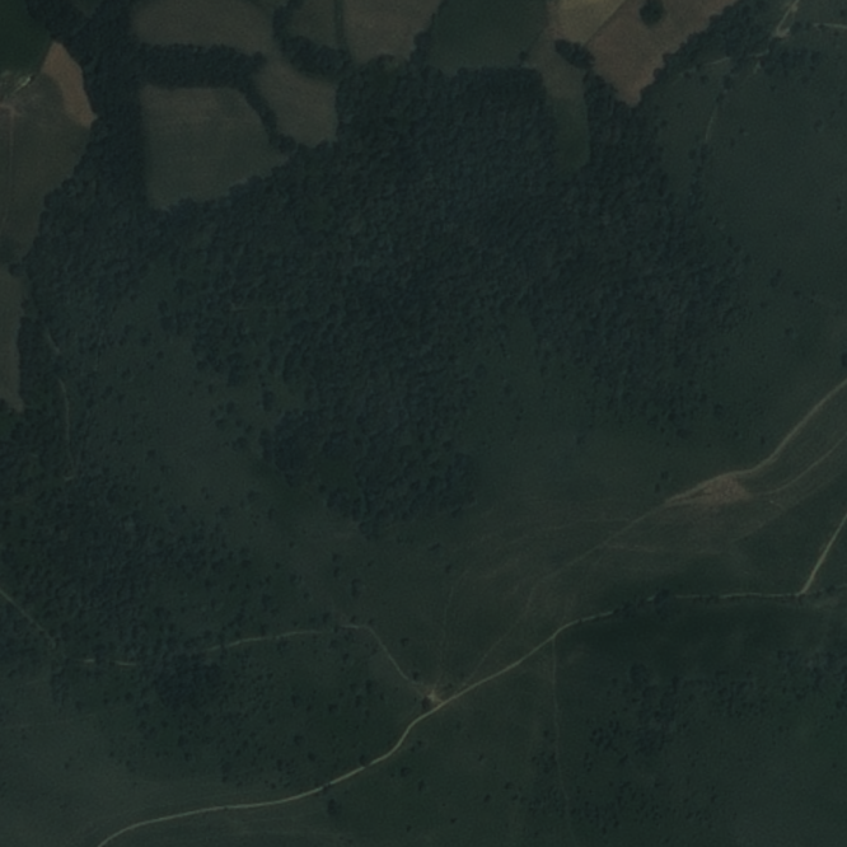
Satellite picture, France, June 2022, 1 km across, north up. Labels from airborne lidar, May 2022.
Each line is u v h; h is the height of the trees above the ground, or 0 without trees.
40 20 13
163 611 10
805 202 0
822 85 0
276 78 0
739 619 0
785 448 0
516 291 10
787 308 0
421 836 0
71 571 6
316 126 0
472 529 0
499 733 0
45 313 10
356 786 0
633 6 0
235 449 11
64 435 7
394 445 10
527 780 0
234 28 0
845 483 0
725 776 0
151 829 0
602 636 0
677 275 24
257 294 11
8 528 9
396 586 0
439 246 21
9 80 0
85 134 0
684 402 8
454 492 11
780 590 0
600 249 12
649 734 9
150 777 0
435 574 0
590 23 0
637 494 0
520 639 0
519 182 14
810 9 0
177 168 0
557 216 13
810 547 0
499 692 0
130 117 22
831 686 8
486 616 0
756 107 0
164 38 0
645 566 0
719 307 17
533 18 0
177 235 24
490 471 0
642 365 20
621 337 20
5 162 0
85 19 6
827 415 0
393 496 13
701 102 0
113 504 14
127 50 17
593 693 0
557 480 0
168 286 0
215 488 0
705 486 0
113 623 8
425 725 0
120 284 11
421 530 0
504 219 12
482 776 0
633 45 0
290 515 0
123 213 18
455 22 0
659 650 0
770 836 0
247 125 0
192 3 0
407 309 26
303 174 11
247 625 14
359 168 12
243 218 20
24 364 13
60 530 19
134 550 8
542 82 12
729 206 0
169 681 20
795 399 0
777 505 0
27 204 0
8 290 0
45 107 0
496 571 0
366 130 13
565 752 0
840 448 0
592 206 16
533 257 23
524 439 0
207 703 8
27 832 0
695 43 14
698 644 0
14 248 0
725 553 0
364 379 15
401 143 18
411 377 18
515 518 0
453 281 20
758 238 0
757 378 0
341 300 8
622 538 0
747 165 0
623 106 19
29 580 6
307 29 0
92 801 0
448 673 0
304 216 21
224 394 0
